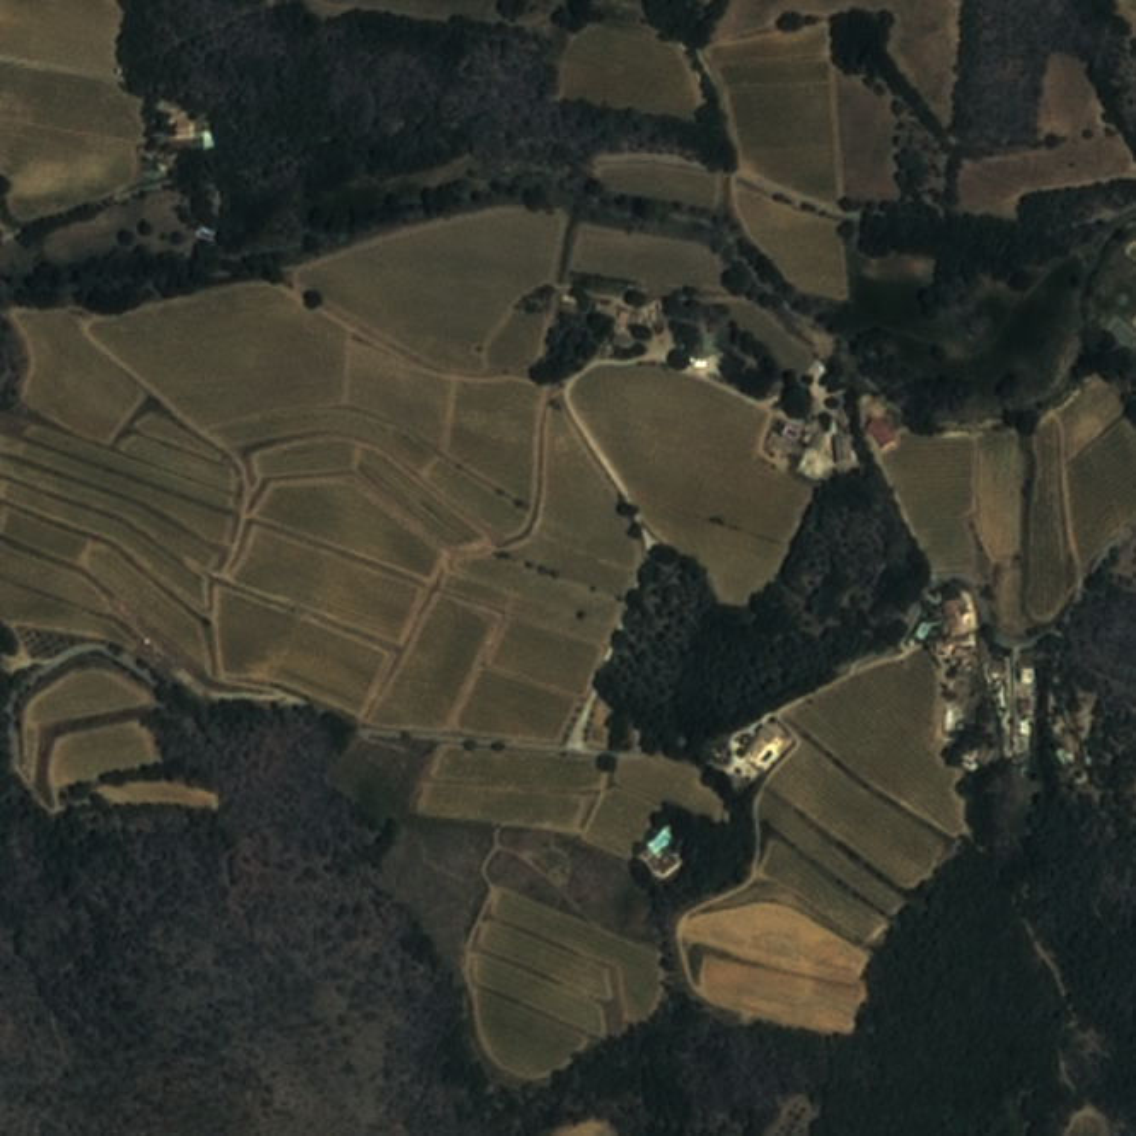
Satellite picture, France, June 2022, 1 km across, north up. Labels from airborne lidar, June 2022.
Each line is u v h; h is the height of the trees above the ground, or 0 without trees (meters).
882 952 11
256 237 16
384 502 0
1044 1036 9
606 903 0
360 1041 0
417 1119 8
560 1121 10
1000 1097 12
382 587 0
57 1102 13
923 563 14
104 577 0
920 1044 9
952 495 0
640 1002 0
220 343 0
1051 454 0
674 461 0
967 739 18
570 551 0
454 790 0
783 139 0
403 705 0
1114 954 9
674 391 0
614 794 0
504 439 0
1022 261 15
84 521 0
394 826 14
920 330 0
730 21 0
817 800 0
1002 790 16
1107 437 0
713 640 10
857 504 15
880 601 9
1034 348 0
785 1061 10
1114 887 7
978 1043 14
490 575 0
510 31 8
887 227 11
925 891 11
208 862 16
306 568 0
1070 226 15
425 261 0
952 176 11
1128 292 0
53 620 0
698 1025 6
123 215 0
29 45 0
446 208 14
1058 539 0
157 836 9
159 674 9
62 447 0
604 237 0
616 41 0
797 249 0
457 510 0
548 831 0
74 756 0
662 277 0
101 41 0
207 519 0
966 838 11
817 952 0
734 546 0
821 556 15
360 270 0
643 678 18
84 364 0
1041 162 0
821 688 8
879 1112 8
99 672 0
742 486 0
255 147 18
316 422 0
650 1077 8
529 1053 0
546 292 6
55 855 10
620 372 0
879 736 0
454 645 0
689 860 11
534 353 0
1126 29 10
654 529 0
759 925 0
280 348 0
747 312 0
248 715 11
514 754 0
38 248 16
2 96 0
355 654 0
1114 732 10
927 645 8
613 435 0
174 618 0
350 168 16
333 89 17
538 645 0
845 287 0
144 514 0
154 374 0
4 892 12
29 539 0
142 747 0
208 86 16
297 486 0
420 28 20
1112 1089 10
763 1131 8
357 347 0
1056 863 6
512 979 0
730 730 7
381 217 14
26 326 0
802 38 0
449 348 0
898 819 0
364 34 15
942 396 14
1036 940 5
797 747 0
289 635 0
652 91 0
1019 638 0
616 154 16
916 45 0
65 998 9
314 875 14
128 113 0
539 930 0
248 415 0
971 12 10
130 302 21
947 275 14
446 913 0
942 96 0
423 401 0
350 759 0
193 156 11
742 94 0
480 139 13
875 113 0
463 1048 6
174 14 10
